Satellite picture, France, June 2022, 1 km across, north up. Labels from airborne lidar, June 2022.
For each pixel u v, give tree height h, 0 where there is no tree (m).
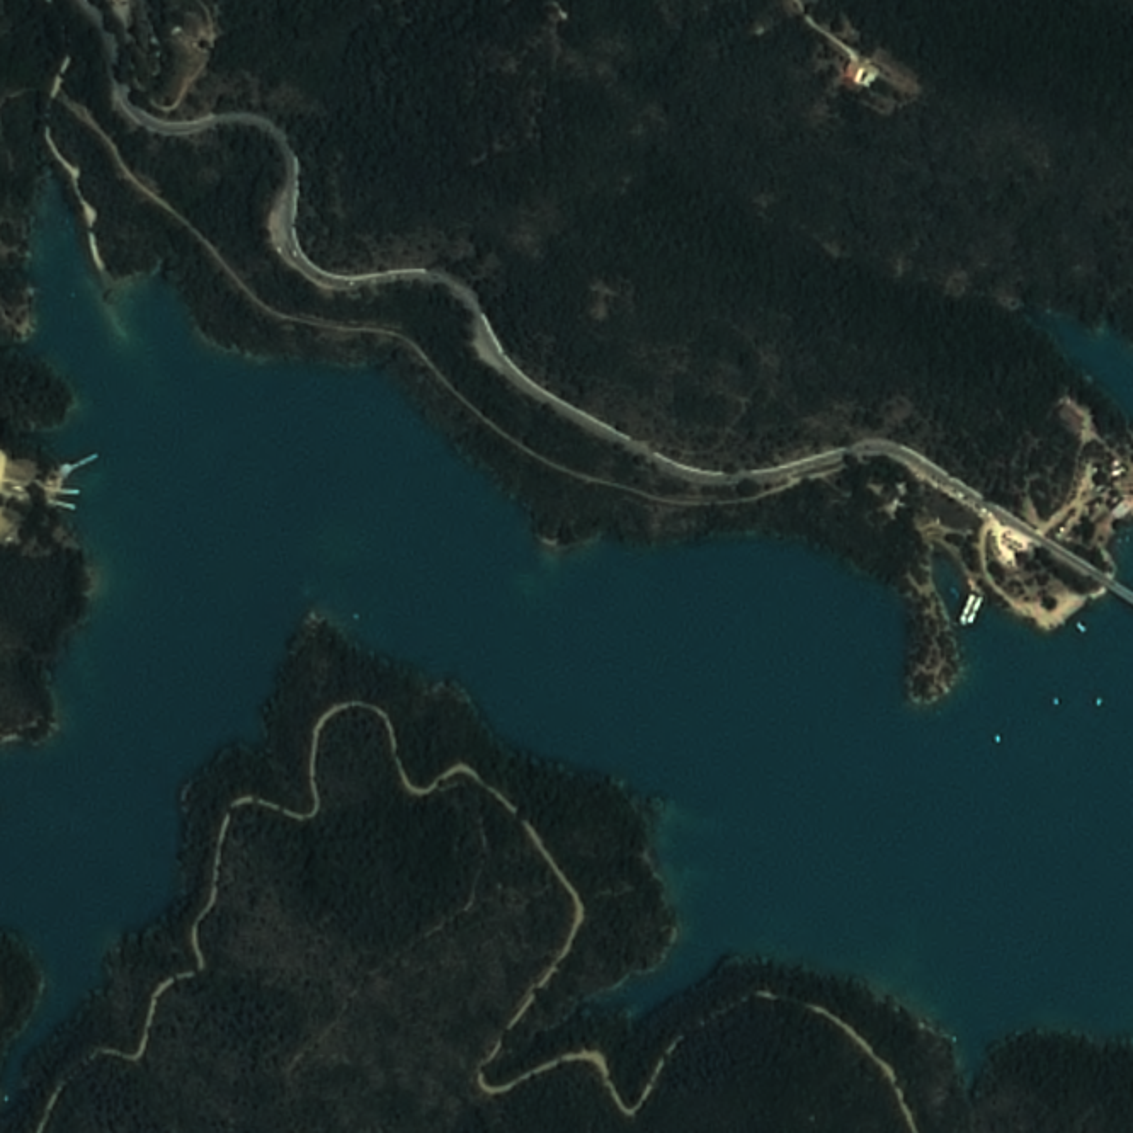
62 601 12
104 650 0
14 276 12
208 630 0
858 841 0
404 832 7
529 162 11
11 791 0
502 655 0
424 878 6
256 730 0
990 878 0
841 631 0
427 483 0
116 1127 12
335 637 10
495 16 13
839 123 8
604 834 6
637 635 0
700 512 7
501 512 0
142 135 7
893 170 5
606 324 7
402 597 0
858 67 0
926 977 0
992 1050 8
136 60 10
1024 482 7
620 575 0
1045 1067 7
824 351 8
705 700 0
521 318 14
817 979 13
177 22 9
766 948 0
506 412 9
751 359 11
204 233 7
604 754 0
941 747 0
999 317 11
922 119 6
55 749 0
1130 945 0
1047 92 10
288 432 0
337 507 0
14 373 8
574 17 11
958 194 7
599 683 0
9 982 6
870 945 0
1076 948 0
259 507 0
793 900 0
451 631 0
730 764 0
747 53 6
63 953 0
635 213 11
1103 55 17
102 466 0
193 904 12
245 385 0
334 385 0
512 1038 8
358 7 12
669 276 6
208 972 8
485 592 0
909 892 0
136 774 0
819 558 0
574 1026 9
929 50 13
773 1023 13
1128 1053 10
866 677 0
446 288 8
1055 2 15
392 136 12
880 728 0
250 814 11
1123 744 0
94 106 12
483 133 11
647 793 0
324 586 0
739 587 0
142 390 0
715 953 0
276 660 0
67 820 0
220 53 10
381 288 6
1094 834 0
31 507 6
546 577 0
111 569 0
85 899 0
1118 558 0
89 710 0
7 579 7
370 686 15
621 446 8
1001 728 0
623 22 10
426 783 10
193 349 0
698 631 0
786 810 0
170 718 0
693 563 0
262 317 7
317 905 6
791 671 0
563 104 9
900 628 0
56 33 17
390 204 11
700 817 0
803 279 8
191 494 0
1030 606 0
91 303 0
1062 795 0
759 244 6
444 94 8
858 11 12
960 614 0
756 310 6
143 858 0
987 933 0
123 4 0
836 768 0
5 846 0
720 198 7
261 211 8
